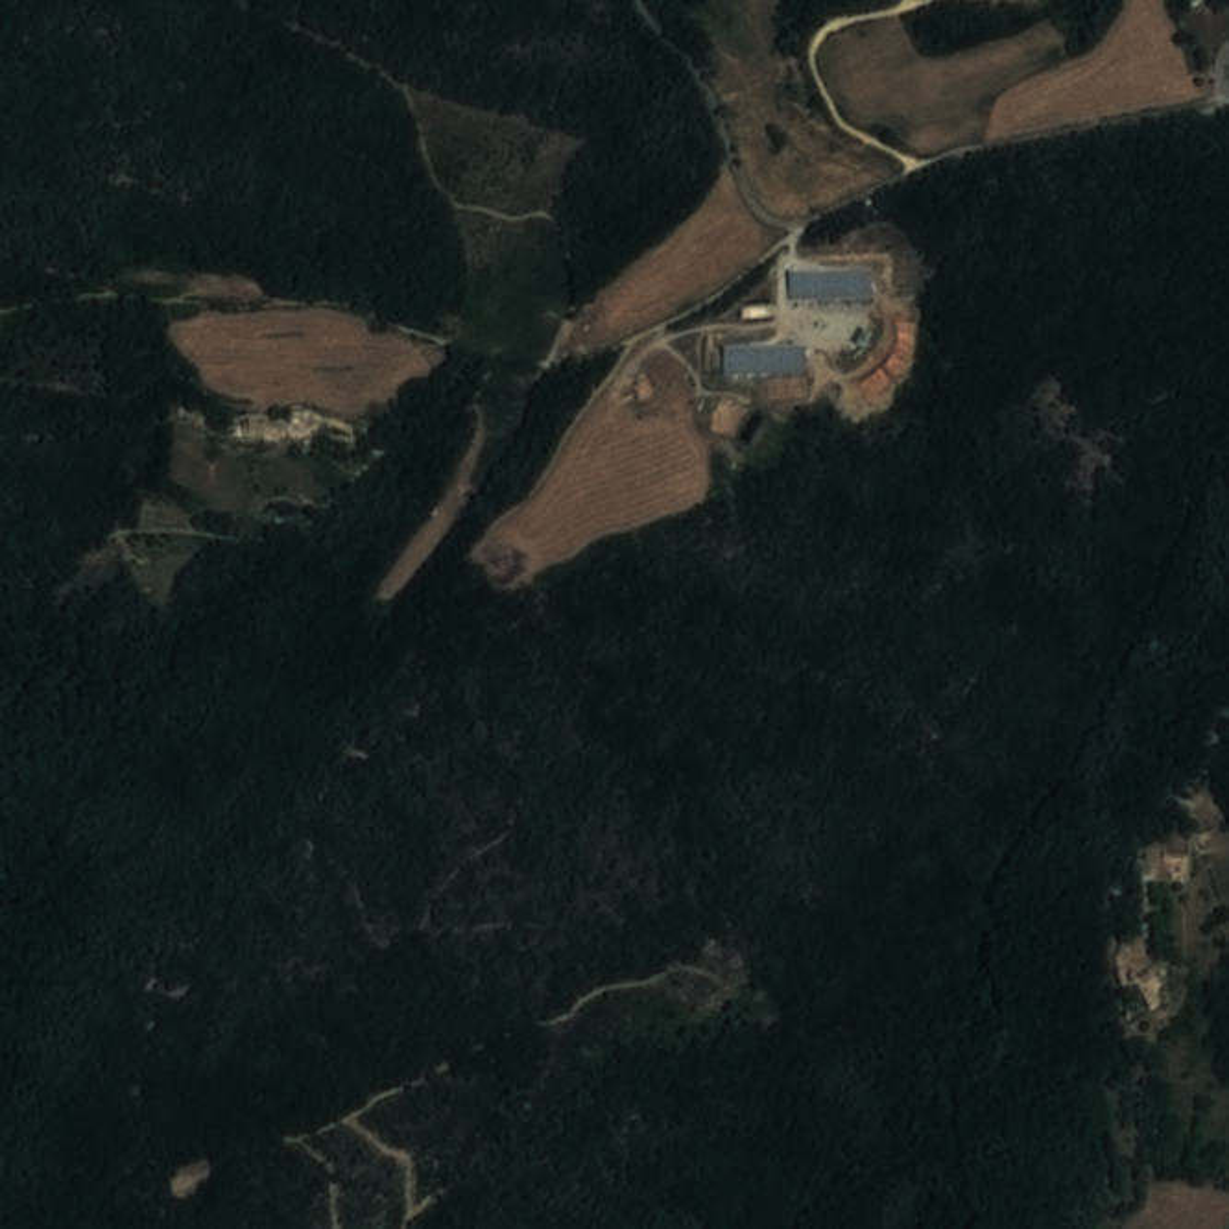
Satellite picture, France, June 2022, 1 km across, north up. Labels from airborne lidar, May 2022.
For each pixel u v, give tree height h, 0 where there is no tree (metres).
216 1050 19
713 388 0
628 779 11
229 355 0
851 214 8
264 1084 19
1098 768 22
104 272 17
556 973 7
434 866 7
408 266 19
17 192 16
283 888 11
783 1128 15
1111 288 15
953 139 0
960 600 8
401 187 10
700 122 7
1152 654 22
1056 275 15
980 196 14
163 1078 13
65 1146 15
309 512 13
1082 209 11
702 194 14
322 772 9
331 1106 14
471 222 0
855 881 8
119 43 15
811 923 7
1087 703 12
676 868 7
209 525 10
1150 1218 0
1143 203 14
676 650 13
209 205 11
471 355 18
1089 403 16
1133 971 0
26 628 18
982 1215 21
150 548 9
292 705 12
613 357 8
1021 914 24
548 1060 11
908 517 12
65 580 16
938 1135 10
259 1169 11
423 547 0
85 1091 12
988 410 15
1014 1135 19
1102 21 18
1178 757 17
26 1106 13
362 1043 14
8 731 20
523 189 0
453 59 14
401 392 7
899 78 0
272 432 0
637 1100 17
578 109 14
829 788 12
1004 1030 22
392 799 11
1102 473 14
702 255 0
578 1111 6
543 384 16
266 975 11
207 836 12
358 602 13
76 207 12
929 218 10
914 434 15
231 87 7
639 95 9
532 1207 11
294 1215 9
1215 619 8
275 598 17
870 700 8
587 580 9
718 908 11
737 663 10
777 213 0
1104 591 10
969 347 15
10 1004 17
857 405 0
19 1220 17
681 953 10
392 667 15
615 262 15
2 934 19
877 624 10
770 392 0
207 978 13
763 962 10
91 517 17
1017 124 0
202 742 14
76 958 10
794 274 0
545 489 0
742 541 7
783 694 12
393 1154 0
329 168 11
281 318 0
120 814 14
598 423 0
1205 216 19
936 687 6
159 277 0
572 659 8
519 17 13
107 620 16
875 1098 11
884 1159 15
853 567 6
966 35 11
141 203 12
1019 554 7
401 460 13
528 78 11
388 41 14
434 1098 13
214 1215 11
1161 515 16
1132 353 18
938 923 10
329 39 12
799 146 0
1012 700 11
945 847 13
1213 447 13
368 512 9
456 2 12
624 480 0
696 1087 17
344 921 6
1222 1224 0
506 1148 19
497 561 0
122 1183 17
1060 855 20
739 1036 14
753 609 8
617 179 15
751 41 0
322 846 11
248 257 18
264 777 13
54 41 11
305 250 20
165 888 14
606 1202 11
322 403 0
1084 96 0
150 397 19
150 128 10
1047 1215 11
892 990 8
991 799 7
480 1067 14
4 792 17
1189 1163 13
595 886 8
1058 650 8
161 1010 12
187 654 18
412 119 14
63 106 11
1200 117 10
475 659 13
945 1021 16
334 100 12
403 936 10
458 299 13
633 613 11
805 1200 14
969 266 15
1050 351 18
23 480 16
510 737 11
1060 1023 23
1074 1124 16
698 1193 15
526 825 7
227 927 13
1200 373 12
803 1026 10
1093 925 19
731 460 0
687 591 16
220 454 0
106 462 19
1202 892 7
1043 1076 21
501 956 10
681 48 14
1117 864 17
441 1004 14
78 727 14
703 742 10
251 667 14
